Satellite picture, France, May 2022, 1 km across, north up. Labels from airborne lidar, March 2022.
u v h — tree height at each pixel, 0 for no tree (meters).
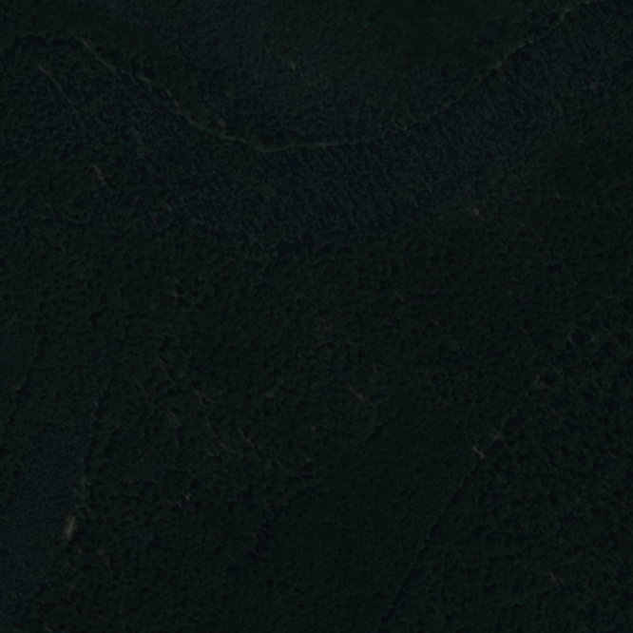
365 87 34
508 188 26
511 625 29
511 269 27
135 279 31
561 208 33
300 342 26
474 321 27
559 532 32
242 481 32
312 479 24
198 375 29
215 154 11
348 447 27
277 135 19
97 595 31
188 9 22
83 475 29
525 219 27
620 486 31
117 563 31
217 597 26
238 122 28
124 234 30
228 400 31
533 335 27
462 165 27
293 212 7
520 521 33
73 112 33
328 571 24
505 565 31
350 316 23
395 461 21
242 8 24
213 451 28
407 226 26
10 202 29
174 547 28
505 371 30
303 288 24
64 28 38
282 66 29
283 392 31
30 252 29
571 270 32
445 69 34
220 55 27
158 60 34
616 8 7
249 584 31
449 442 21
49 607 31
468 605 25
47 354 29
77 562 32
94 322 26
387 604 21
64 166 25
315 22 31
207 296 27
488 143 28
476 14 32
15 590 26
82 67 23
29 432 22
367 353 26
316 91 29
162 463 21
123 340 21
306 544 26
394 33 30
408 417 25
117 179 33
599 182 32
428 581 30
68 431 26
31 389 26
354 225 28
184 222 32
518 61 35
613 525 34
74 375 19
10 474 21
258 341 30
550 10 35
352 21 29
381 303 30
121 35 33
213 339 24
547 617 29
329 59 27
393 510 25
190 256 31
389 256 24
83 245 31
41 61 33
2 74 30
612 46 29
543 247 31
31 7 37
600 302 25
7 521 27
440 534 28
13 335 22
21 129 25
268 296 24
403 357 27
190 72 32
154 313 30
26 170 33
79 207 36
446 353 30
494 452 28
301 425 32
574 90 24
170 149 11
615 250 29
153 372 32
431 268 32
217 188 8
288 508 27
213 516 29
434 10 34
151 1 31
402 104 32
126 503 35
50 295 31
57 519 32
